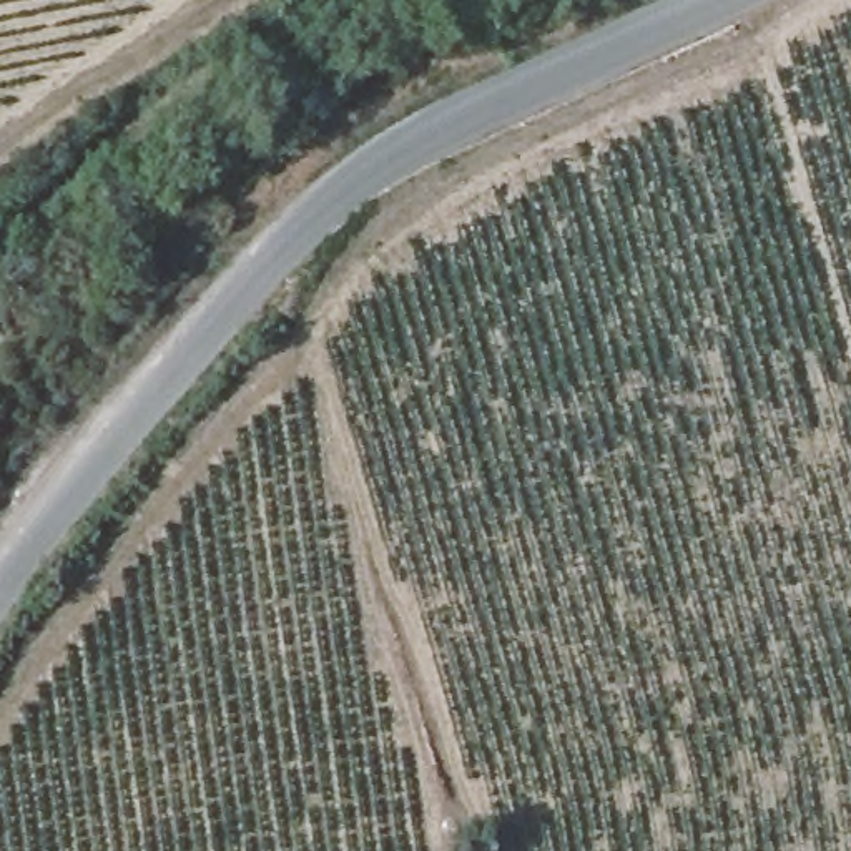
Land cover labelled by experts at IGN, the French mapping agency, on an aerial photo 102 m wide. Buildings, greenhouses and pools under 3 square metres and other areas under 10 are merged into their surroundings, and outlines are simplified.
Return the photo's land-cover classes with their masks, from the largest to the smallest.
<instances>
[{"label":"vineyard","instance_id":"1","mask_svg":"<svg viewBox=\"0 0 851 851\"><path fill-rule=\"evenodd\" d=\"M259 0H0V166H7L20 150L47 140L63 120L80 113V106L96 100L133 83L186 43L216 33L226 17H243ZM309 376L299 379V386L289 389L283 402L259 412L253 426L239 429L236 449H229L226 459L209 469V479L199 482L180 502V522H170L166 539H160L153 552L140 555L136 565L123 572V595L113 598L110 608H103L90 625H83V645H66V665L53 671V681L40 685L37 701L23 708V721L13 725L10 741L0 745V851H449L452 831L482 814L495 821L499 851H851V0H804L798 10L781 13L758 37L745 40L741 57L728 66L678 80L671 90L652 100L602 113L588 123H578L575 130L535 143L522 150V156L502 160L475 173L452 193H445L419 219L399 226L382 243V249H372L366 259L346 256L336 259L332 276L316 293L309 319V339L299 346Z\"/></svg>","mask_w":851,"mask_h":851},{"label":"herbaceous vegetation","instance_id":"2","mask_svg":"<svg viewBox=\"0 0 851 851\"><path fill-rule=\"evenodd\" d=\"M652 0H588L572 7L575 23L552 27L542 17L529 20V27H512L515 37H505L485 20L489 0H445L455 27L462 30V37L449 50H439L432 57L426 43L406 40L402 27H396L389 30V66H406L412 80L392 86L382 70L356 80L346 93L336 90L332 70H322L279 20H269L259 40L283 57L279 76L286 80V106L273 123L269 153L256 156L246 146H219V180L206 183L203 189H186L176 216H166L160 206L146 199L136 203L126 226L143 239L150 259L136 279V289L116 293L120 309L116 319L103 326L106 336H100L90 346H83V339L73 336H37L33 346L23 349V342H10V336L0 332V515L10 509L13 489L27 479L30 465L63 435V429L93 416L96 406L116 386L126 382V376L170 332L176 316L203 296V289L236 259V253L253 243L256 229L266 226L293 196L312 186L322 173H329L339 160H346L356 146L382 133L386 126L465 86L509 73L512 66L545 50L575 43L592 27L625 17ZM804 0H761L755 7L738 10L718 30H708L625 70H612L552 100L542 110L502 123L485 136H472L469 150L402 180L396 189L376 199L379 216L352 239L346 256L366 259L372 249H382V243L399 226L419 219L445 193H452L475 173L502 160L522 156V150L535 143L575 130L578 123H588L602 113L652 100L671 90L678 80L728 66L741 57L745 40L758 37L781 13L798 10ZM143 96L133 83L96 100V130L86 140L66 146V166L57 170L53 180L30 189L20 203L0 209V253L7 246L10 223L27 216L33 226V249L27 256L33 259L37 253H43L53 229L43 206L60 186H66L76 176V170L93 150H100L103 143H116L130 123H136ZM259 352L249 362H239L229 376H223L219 392L209 396L206 406L186 426L170 429L166 452L153 459L143 455L140 479L130 489L110 492L113 515L100 522L93 555L86 562L76 555L60 572V595L70 602L100 585V572L110 558L113 542L126 532L130 515L153 495V489L163 479V469L186 449L189 435L223 402H229L239 392V386H246V379L266 359L289 346H299L309 339V319H293L286 312L273 316L269 326L259 329Z\"/></svg>","mask_w":851,"mask_h":851},{"label":"deciduous trees","instance_id":"3","mask_svg":"<svg viewBox=\"0 0 851 851\"><path fill-rule=\"evenodd\" d=\"M269 20H279L322 70H332L336 90L346 93L356 80L382 70L392 86L412 80L406 66H389V30L396 27H402L406 40L426 43L432 57L439 50H449L462 37V30L455 27L445 0H259L243 17H226L216 33L186 43L133 83L143 96L136 123H130L116 143H103L100 150H93L76 170V176L66 186H60L43 206L53 229L43 253H37L33 259L27 256L33 249V226L27 216L10 223L7 246L0 253V332L10 336V342H23V349L33 346L37 336H73L83 339V346H90L100 336H106L103 326L116 319L120 309L116 293L136 289V279L150 259L143 239L126 226L136 203L146 199L160 206L166 216H176L186 189H203L206 183L219 180V146H246L256 156L269 153L273 123L286 106V80L279 76L283 57L259 40ZM588 0H489L485 20L505 37H515L512 27H529V20L542 17L552 27L575 23L572 7ZM96 100L80 106V113L63 120L47 140L20 150L7 166H0V209L20 203L30 189L53 180L57 170L66 166V146L86 140L96 130ZM379 216L376 199H366L356 213H349L339 233L326 236L296 273L279 279V289L263 303L259 319L246 322L226 342V349L199 372L196 386L186 389L183 399L163 416V422L146 435L143 449L126 462V469L110 479L106 495L96 499L83 519H76L70 542L53 558L40 562V568L30 575L23 588L17 612L7 625H0V698L13 681V671L27 645L70 602L60 595V572L76 555L86 562L93 555L100 522L113 515L110 492L130 489L140 479L143 455L153 459L166 452L170 429L186 426L206 406L209 396L219 392L223 376H229L239 362H249L259 352V329L269 326L273 316L286 312L293 319H309L316 293L332 276L336 259L346 256L352 239ZM449 851H499L495 821L482 814L452 831Z\"/></svg>","mask_w":851,"mask_h":851},{"label":"impervious surface","instance_id":"4","mask_svg":"<svg viewBox=\"0 0 851 851\"><path fill-rule=\"evenodd\" d=\"M761 0H652L625 17L592 27L575 43L545 50L512 66L509 73L465 86L386 126L382 133L356 146L346 160H339L329 173H322L312 186L293 196L266 226L256 229L253 243L236 253V259L203 289V296L176 316L170 332L126 376V382L116 386L96 406L93 416L63 429V435L30 465L27 479L13 489L10 509L0 515V625H7L17 612L23 588L30 575L40 568V562L53 558L70 542L76 519H83L96 499L106 495L110 479L126 469V462L143 449L146 435L163 422V416L183 399L186 389L196 386L199 372L226 349V342L246 322L259 319L263 303L279 289V279L296 273L326 236L339 233L349 213H356L366 199H376L396 189L402 180L469 150L472 136H485L502 123L542 110L552 100L612 70H625L708 30H718L738 10L755 7Z\"/></svg>","mask_w":851,"mask_h":851},{"label":"pervious surface","instance_id":"5","mask_svg":"<svg viewBox=\"0 0 851 851\"><path fill-rule=\"evenodd\" d=\"M309 376L299 346H289L266 359L246 379V386H239V392L229 402H223L189 435L186 449L163 469V479L153 489V495L130 515L126 532L113 542L110 558L100 572V585L70 602L27 645L13 671V681L0 698V745L10 741L13 725L23 721V708L37 701L40 685L53 681V671L66 665V645H83V625H90L103 608H110L113 598L123 595V572L136 565L140 555L153 552L160 539H166L170 522H180V502L199 482L209 479V469L226 459L229 449H236L239 429L253 426L259 412L283 402L289 389L299 386V379Z\"/></svg>","mask_w":851,"mask_h":851}]
</instances>
